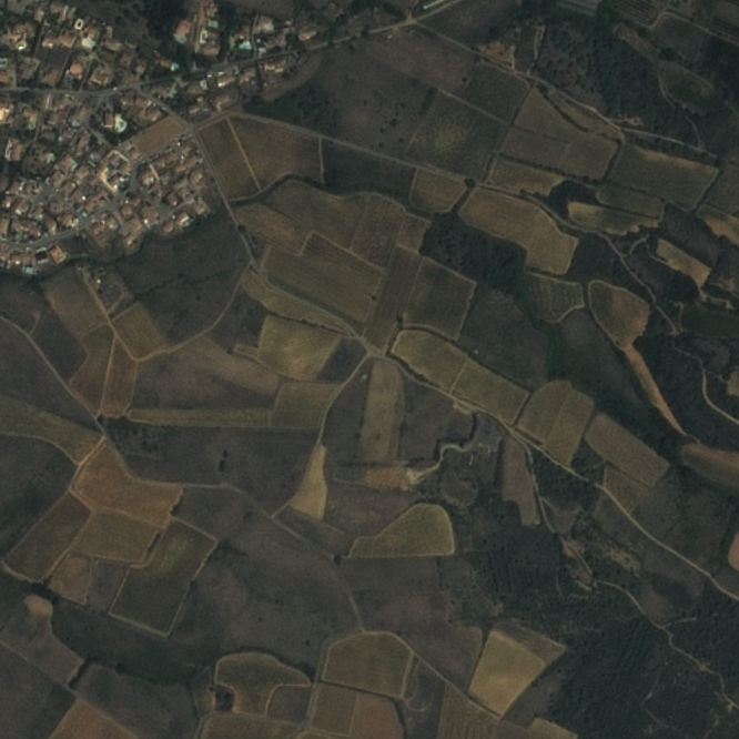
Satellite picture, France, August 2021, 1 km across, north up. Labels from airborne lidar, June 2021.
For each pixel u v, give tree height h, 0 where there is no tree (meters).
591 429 0
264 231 0
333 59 0
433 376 0
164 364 0
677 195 0
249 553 0
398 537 0
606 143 0
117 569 0
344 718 0
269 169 0
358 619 0
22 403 0
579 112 0
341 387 0
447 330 0
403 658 0
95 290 0
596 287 0
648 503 0
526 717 0
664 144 7
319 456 0
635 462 0
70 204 0
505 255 8
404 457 0
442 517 0
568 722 8
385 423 0
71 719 0
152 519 0
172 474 0
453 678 0
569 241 0
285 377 0
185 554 0
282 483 0
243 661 0
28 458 0
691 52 0
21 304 0
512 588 6
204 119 0
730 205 0
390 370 0
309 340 0
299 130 0
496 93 0
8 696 0
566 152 0
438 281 0
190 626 0
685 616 8
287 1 0
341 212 0
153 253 0
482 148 0
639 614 0
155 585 0
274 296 0
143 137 0
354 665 0
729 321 0
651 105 8
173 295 0
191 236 0
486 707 0
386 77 0
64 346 0
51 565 0
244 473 0
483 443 0
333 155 0
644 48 0
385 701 0
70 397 0
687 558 0
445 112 0
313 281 0
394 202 0
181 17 11
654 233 7
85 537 0
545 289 0
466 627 0
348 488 0
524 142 0
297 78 0
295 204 0
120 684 0
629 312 0
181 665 0
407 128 0
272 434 0
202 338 0
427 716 0
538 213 0
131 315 0
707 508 0
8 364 0
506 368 0
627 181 0
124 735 0
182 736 0
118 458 0
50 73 0
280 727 0
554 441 0
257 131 0
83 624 0
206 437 0
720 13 0
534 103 0
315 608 0
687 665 0
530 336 0
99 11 0
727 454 0
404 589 0
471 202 0
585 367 0
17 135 7
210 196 0
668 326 7
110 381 0
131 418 0
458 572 0
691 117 6
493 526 0
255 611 0
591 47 7
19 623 0
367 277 0
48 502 0
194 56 10
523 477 0
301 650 0
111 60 0
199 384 0
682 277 7
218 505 0
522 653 0
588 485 11
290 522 0
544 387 0
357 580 0
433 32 6
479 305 0
